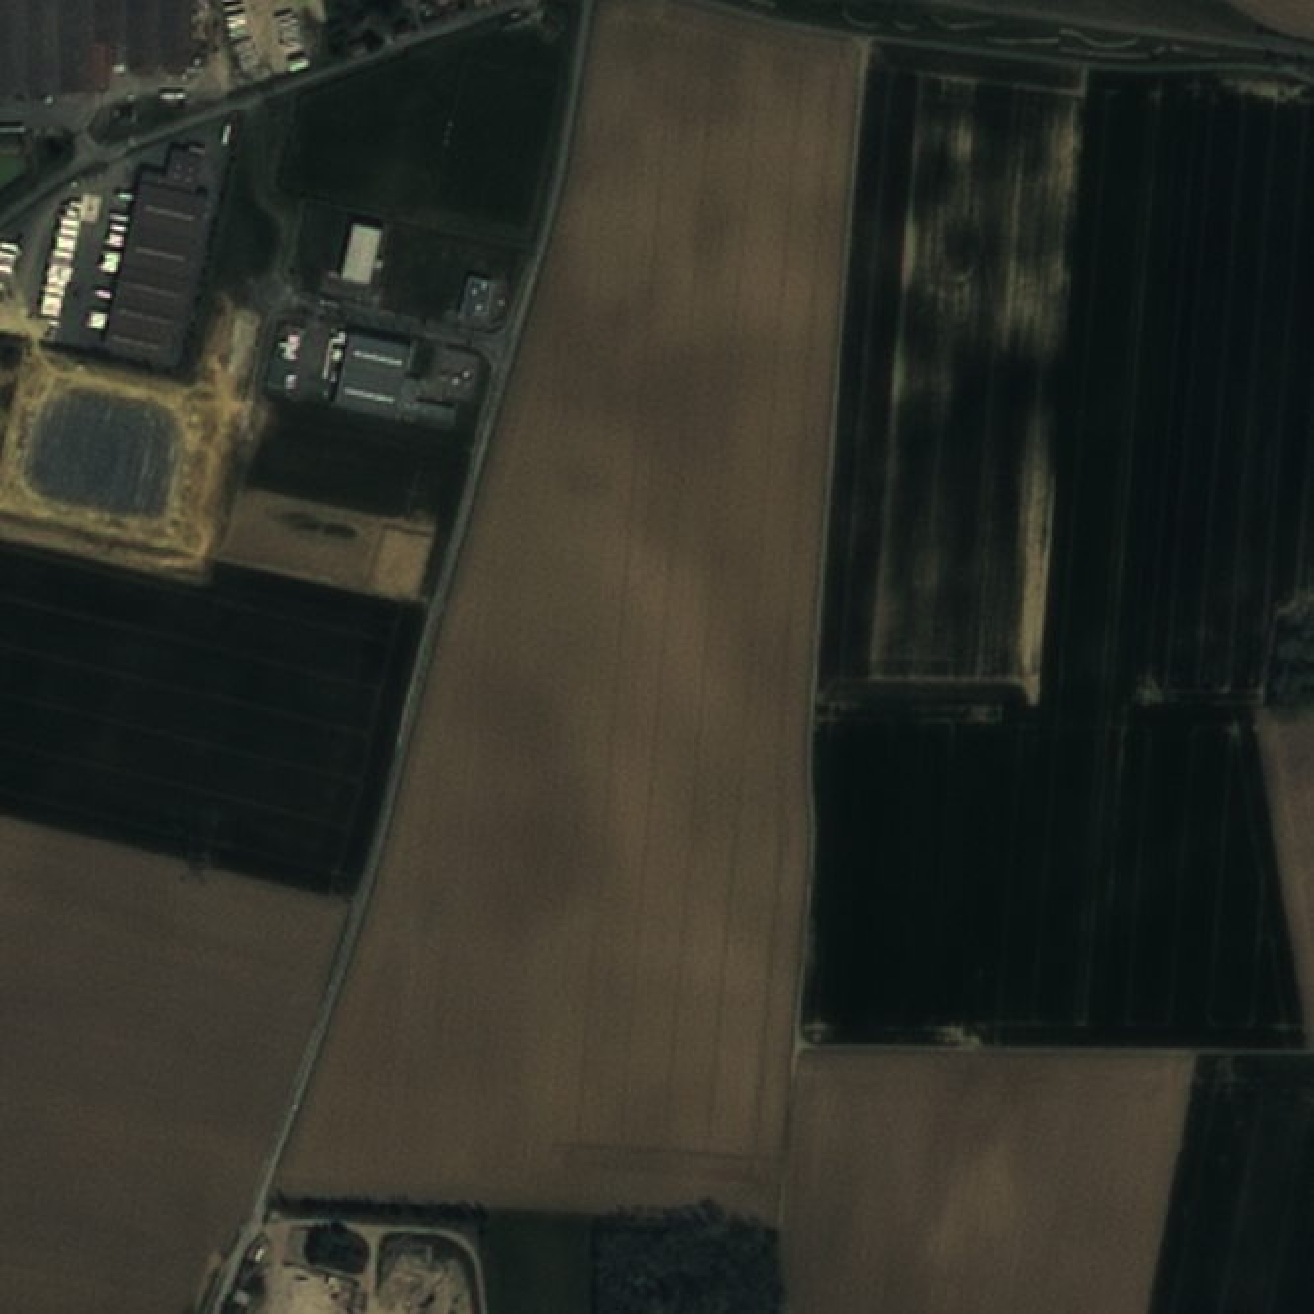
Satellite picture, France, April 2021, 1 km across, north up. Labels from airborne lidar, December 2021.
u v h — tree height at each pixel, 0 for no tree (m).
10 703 0
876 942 0
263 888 0
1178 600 0
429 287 0
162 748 0
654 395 0
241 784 0
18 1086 0
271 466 0
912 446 0
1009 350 0
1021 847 0
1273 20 0
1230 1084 0
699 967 0
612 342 0
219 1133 0
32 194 0
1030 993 0
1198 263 0
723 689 0
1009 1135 0
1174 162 0
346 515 0
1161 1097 0
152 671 0
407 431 0
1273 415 0
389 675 0
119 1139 0
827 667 0
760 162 0
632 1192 0
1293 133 0
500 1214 0
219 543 0
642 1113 0
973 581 0
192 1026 0
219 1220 0
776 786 0
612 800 0
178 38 0
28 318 0
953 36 0
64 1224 0
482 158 0
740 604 0
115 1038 0
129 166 0
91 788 0
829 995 0
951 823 0
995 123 0
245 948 0
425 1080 0
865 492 0
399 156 0
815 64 0
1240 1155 0
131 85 0
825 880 0
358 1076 0
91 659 0
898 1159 0
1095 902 0
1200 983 0
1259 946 0
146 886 0
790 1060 0
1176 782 0
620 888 0
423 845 0
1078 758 0
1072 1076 0
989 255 0
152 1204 0
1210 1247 0
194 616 0
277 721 0
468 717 0
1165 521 0
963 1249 0
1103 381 0
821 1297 0
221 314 0
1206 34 0
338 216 0
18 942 0
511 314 0
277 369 0
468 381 0
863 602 0
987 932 0
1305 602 0
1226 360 0
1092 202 0
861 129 0
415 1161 0
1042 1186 0
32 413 0
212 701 0
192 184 0
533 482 0
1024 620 0
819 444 0
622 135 0
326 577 0
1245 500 0
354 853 0
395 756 0
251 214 0
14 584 0
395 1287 0
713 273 0
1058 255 0
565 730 0
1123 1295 0
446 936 0
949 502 0
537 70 0
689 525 0
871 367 0
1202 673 0
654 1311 20
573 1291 0
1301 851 0
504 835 0
